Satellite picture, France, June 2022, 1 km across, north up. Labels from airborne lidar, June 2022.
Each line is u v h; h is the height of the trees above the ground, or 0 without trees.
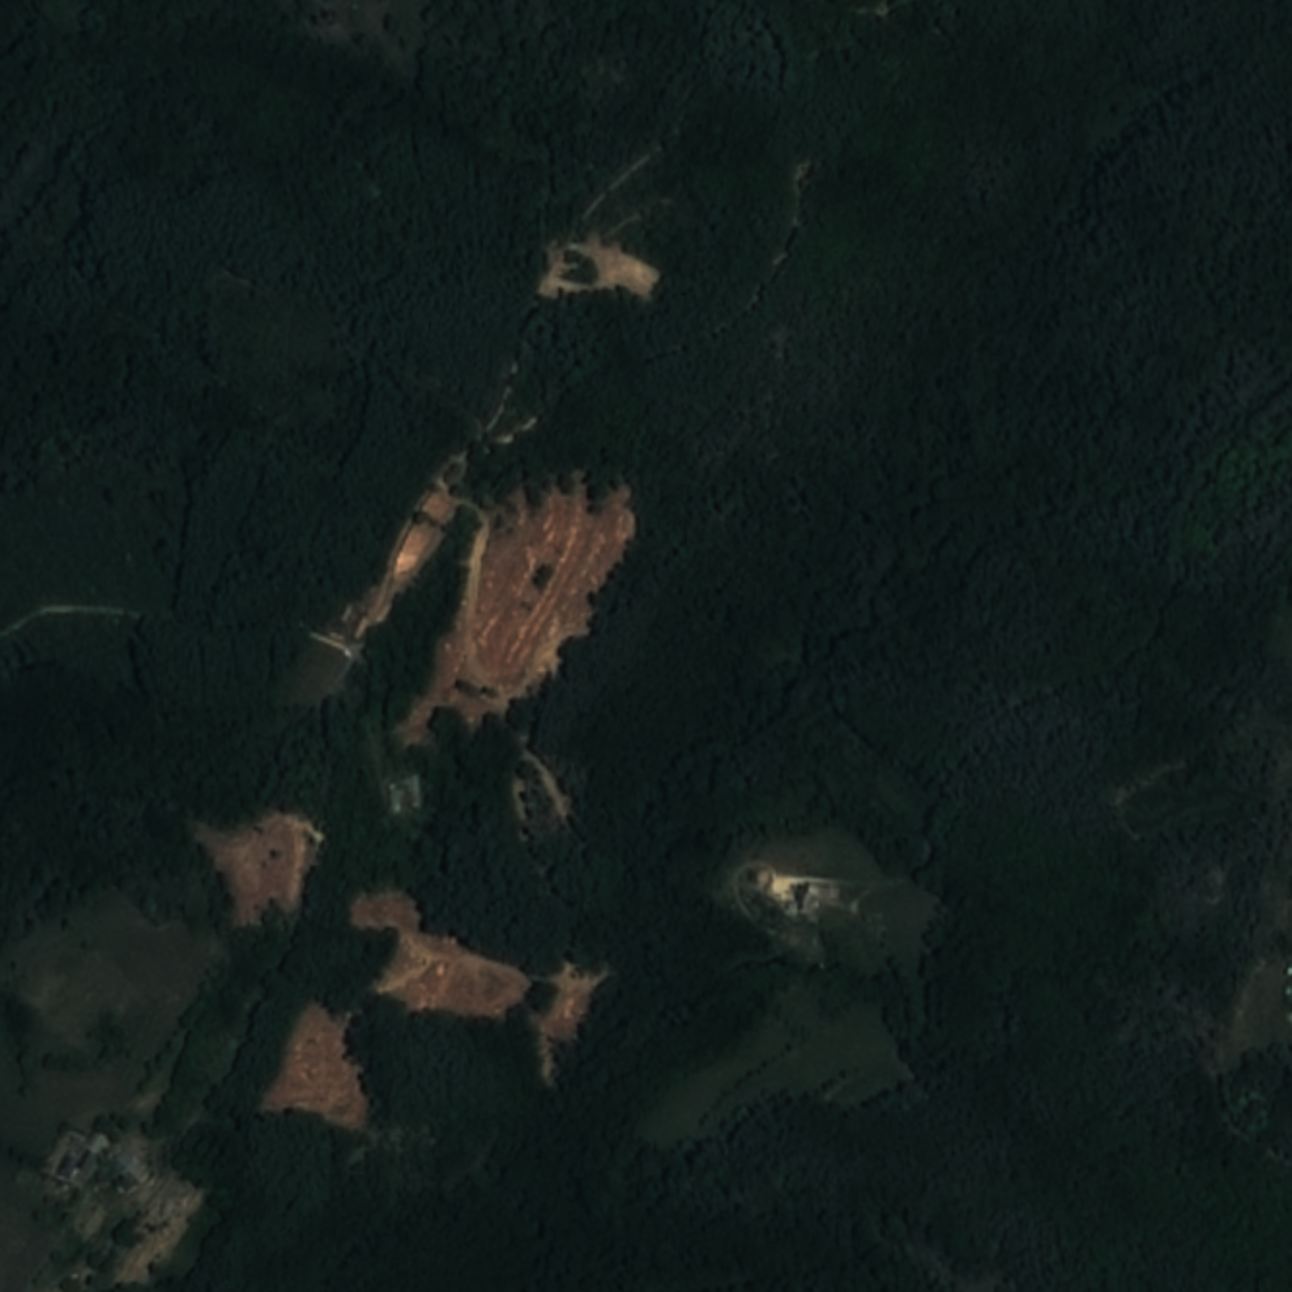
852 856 0
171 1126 11
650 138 8
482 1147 17
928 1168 17
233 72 17
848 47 22
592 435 23
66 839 19
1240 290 11
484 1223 22
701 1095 0
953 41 21
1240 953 14
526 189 11
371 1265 24
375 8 0
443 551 8
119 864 13
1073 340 17
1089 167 11
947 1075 31
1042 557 24
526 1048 23
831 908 0
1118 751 18
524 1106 20
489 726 17
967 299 21
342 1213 22
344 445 10
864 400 17
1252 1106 10
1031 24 25
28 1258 0
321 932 18
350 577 14
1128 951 8
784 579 27
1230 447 8
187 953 0
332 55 15
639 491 15
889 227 23
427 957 0
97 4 12
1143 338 20
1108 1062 16
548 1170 29
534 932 42
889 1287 17
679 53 17
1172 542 31
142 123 26
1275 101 22
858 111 21
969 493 12
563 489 19
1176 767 17
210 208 31
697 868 17
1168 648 18
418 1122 22
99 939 0
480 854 30
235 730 11
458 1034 24
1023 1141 24
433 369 25
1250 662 13
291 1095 0
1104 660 20
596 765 23
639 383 21
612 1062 26
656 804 27
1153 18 25
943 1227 12
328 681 0
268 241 29
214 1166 12
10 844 19
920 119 23
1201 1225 9
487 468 14
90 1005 0
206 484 19
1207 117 20
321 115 15
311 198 19
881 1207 11
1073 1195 17
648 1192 16
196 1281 18
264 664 16
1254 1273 9
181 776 11
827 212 17
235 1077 12
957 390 32
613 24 15
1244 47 25
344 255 15
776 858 0
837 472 21
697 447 19
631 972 22
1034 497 20
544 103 11
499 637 0
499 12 9
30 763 21
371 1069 21
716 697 27
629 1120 11
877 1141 24
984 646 22
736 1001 15
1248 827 12
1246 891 15
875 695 21
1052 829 17
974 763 15
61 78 19
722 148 12
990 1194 17
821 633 9
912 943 0
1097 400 24
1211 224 16
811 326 15
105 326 10
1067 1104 20
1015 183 11
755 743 13
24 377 25
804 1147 18
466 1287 14
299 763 7
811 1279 16
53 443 16
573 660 31
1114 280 19
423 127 19
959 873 19
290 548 21
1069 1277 18
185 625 17
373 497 16
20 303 18
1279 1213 10
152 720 20
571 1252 24
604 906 26
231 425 12
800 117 24
